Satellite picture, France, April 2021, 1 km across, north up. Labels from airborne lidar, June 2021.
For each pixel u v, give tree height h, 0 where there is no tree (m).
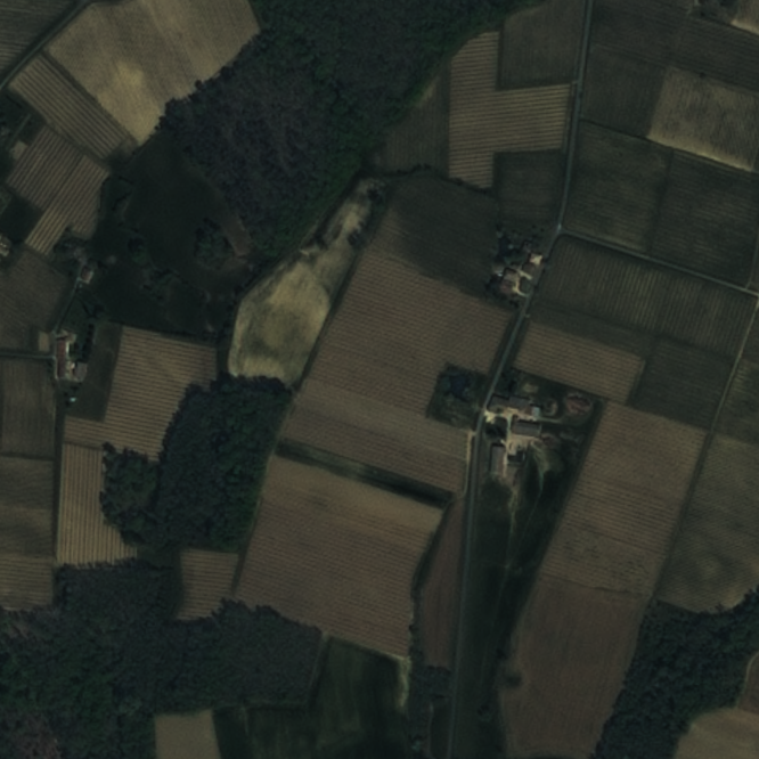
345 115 23
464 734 0
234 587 0
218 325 0
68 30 0
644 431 0
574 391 0
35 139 0
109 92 0
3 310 0
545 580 0
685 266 0
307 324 0
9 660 24
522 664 0
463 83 0
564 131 0
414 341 0
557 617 0
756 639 20
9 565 0
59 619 21
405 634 0
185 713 18
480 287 0
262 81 17
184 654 15
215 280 0
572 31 0
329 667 0
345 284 0
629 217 0
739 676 19
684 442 0
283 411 20
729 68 0
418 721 17
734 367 0
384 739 0
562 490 0
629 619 0
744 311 0
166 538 17
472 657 0
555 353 0
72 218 0
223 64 0
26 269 0
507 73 0
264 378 0
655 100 0
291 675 16
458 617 0
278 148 10
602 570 0
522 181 0
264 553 0
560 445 0
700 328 0
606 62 0
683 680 23
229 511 26
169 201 0
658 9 0
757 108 0
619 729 21
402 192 0
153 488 25
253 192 21
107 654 25
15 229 0
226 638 19
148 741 21
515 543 0
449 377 8
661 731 26
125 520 13
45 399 0
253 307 0
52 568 0
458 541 0
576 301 0
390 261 0
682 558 0
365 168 0
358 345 0
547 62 0
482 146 0
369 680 0
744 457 0
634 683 13
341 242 0
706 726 0
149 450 0
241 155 16
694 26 0
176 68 0
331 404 0
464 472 0
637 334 0
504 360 0
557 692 0
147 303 0
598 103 0
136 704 35
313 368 0
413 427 0
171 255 0
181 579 0
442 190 0
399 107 14
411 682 11
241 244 0
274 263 7
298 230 19
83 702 26
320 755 0
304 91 17
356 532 0
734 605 0
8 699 24
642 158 0
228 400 26
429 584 0
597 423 0
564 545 0
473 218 0
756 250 0
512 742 0
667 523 0
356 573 0
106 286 0
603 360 0
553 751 0
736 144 0
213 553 0
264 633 16
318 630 10
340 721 0
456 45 21
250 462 25
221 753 0
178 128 20
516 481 0
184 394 0
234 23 0
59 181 0
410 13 22
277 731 0
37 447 0
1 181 0
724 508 0
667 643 12
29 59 0
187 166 0
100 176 0
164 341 0
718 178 0
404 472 0
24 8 0
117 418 0
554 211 0
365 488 0
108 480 17
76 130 0
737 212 0
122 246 0
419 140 0
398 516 0
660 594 0
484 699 0
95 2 0
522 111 0
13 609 0
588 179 0
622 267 0
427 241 0
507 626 0
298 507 0
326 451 0
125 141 0
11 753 16
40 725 21
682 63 0
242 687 17
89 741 25
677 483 0
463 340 0
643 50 0
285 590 0
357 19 20
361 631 0
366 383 0
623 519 0
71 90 0
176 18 0
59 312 0
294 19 26
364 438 0
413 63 21
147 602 22
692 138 0
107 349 0
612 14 0
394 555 0
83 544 0
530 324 0
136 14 0
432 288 0
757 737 0
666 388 0
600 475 0
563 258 0
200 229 0
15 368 0
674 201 0
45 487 0
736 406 0
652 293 0
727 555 0
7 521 0
